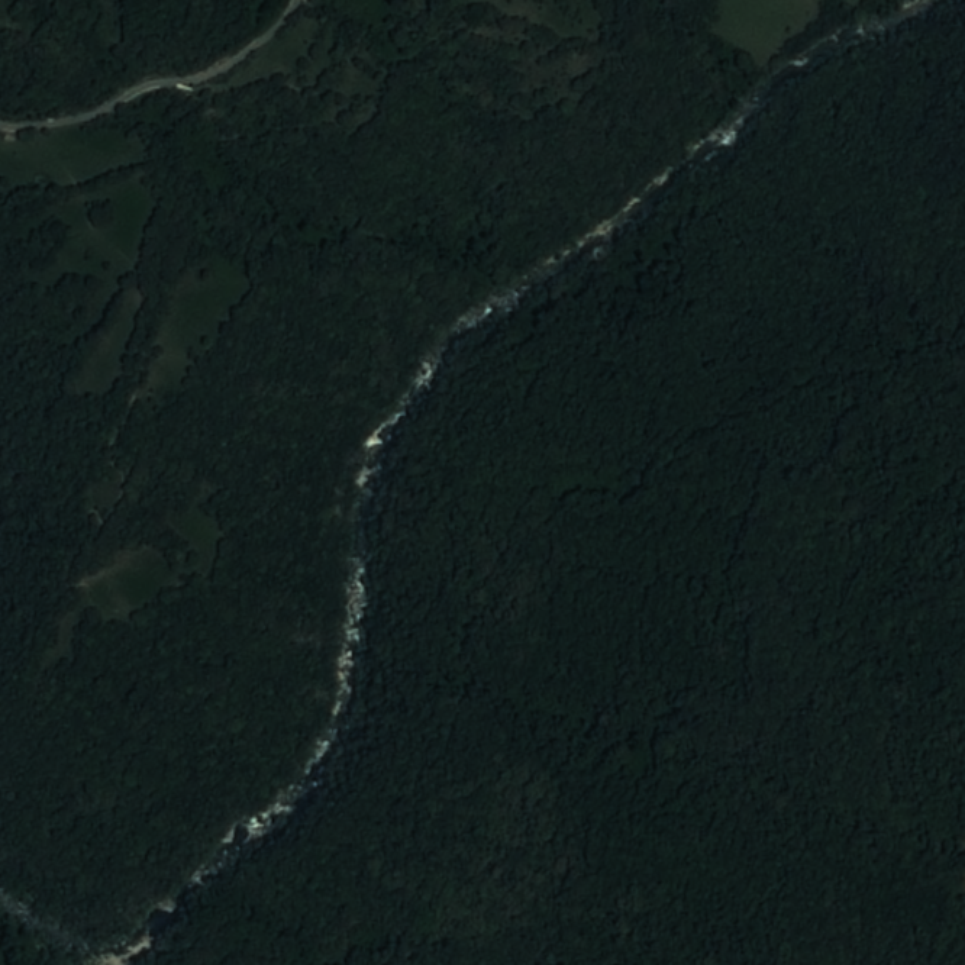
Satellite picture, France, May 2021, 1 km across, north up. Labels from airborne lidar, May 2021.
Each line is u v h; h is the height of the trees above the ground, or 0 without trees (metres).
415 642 13
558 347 10
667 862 8
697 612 10
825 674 12
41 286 11
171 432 13
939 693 14
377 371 8
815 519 11
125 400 8
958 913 8
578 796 8
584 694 12
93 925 6
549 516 8
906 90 16
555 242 16
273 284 15
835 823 12
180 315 0
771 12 0
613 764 12
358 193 16
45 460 10
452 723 11
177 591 11
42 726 9
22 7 10
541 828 10
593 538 9
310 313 11
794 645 17
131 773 12
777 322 15
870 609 11
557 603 11
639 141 16
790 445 7
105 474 7
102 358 0
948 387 10
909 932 9
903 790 12
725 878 9
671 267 13
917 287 16
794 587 14
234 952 14
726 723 17
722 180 10
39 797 10
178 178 9
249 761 12
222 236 12
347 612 10
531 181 8
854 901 9
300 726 9
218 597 12
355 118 14
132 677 12
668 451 9
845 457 13
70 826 7
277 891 14
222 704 14
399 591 10
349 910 14
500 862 13
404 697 15
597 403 12
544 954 12
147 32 11
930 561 5
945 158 13
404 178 16
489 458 9
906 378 15
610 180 12
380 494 17
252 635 12
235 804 6
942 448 14
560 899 15
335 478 8
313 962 18
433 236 17
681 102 11
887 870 12
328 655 12
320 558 7
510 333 21
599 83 14
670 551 9
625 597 13
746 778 15
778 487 16
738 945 5
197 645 7
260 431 13
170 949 12
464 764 12
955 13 18
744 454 12
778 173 17
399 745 17
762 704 15
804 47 10
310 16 8
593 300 12
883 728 14
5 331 12
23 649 10
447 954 18
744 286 13
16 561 9
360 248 20
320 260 14
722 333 14
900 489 18
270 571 12
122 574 0
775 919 11
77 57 16
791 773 11
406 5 18
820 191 16
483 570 17
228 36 8
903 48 15
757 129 14
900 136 17
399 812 15
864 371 13
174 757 13
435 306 10
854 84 16
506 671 11
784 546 17
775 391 11
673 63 13
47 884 13
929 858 10
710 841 9
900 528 7
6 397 10
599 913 12
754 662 16
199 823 11
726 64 22
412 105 15
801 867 9
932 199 13
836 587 11
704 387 12
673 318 14
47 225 7
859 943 9
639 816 8
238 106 9
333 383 9
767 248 11
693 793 8
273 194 22
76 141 0
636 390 12
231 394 8
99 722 12
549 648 11
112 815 6
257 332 7
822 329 11
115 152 0
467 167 15
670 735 19
